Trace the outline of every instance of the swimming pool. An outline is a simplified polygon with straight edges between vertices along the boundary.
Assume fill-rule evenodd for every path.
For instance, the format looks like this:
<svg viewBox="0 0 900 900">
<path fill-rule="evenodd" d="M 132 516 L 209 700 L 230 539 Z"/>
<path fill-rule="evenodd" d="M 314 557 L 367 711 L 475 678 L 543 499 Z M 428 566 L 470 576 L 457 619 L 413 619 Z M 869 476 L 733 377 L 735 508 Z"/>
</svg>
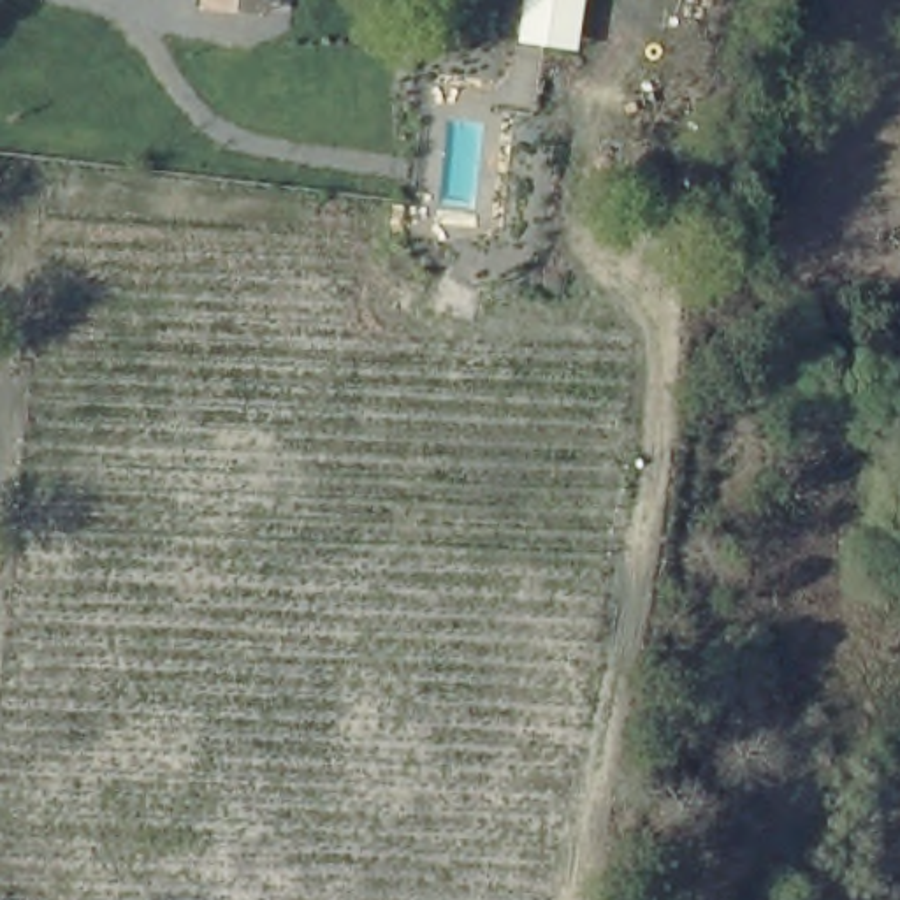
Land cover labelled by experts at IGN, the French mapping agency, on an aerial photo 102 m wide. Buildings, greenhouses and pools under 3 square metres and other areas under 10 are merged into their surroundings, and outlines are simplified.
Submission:
<svg viewBox="0 0 900 900">
<path fill-rule="evenodd" d="M 482 127 L 457 120 L 446 130 L 443 204 L 468 207 L 478 193 Z"/>
</svg>

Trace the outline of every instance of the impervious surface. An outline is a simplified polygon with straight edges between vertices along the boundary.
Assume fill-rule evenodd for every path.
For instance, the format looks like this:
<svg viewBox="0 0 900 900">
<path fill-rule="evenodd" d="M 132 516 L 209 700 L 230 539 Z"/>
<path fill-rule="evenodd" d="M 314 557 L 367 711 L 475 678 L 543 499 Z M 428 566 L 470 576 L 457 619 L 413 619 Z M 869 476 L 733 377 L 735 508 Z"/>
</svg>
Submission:
<svg viewBox="0 0 900 900">
<path fill-rule="evenodd" d="M 218 14 L 204 11 L 197 0 L 35 0 L 39 7 L 67 4 L 105 14 L 144 49 L 158 35 L 165 39 L 193 35 L 225 46 L 253 46 L 288 28 L 295 0 L 278 0 L 267 14 L 246 14 L 243 7 L 236 7 L 229 14 Z"/>
<path fill-rule="evenodd" d="M 450 243 L 461 229 L 471 229 L 475 214 L 468 207 L 443 204 L 446 130 L 457 120 L 482 127 L 496 102 L 531 105 L 538 98 L 541 60 L 552 49 L 520 42 L 513 49 L 510 67 L 499 77 L 443 74 L 432 81 L 432 151 L 425 158 L 425 186 L 418 204 L 404 207 L 408 232 Z"/>
</svg>

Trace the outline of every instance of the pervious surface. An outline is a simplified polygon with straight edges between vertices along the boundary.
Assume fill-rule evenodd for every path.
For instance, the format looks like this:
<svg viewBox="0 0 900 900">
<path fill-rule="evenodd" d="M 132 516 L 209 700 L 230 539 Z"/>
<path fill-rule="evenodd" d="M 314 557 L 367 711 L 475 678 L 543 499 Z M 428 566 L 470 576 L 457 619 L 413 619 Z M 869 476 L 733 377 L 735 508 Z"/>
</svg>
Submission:
<svg viewBox="0 0 900 900">
<path fill-rule="evenodd" d="M 608 598 L 622 605 L 622 619 L 608 640 L 598 640 L 598 664 L 605 664 L 608 671 L 601 675 L 594 728 L 577 731 L 545 721 L 513 724 L 513 731 L 524 738 L 545 735 L 563 745 L 587 745 L 584 788 L 577 791 L 577 823 L 566 823 L 563 816 L 559 823 L 548 823 L 548 837 L 559 837 L 566 847 L 566 868 L 555 872 L 563 889 L 552 900 L 612 900 L 605 893 L 605 879 L 612 865 L 605 861 L 608 851 L 594 840 L 594 826 L 605 826 L 608 816 L 608 780 L 619 749 L 622 721 L 633 700 L 626 686 L 626 668 L 643 650 L 643 615 L 650 608 L 650 573 L 657 552 L 661 510 L 671 485 L 671 446 L 679 436 L 679 429 L 675 380 L 682 341 L 682 309 L 675 288 L 640 260 L 633 260 L 626 250 L 601 246 L 591 232 L 577 229 L 566 236 L 570 246 L 580 253 L 584 271 L 615 299 L 622 299 L 622 309 L 633 320 L 640 320 L 647 334 L 643 446 L 654 454 L 654 464 L 640 461 L 640 499 L 626 538 L 626 566 L 608 573 Z"/>
<path fill-rule="evenodd" d="M 179 102 L 179 109 L 225 148 L 341 172 L 376 172 L 404 183 L 411 162 L 404 158 L 292 144 L 221 120 L 179 74 L 165 39 L 158 35 L 144 49 L 151 70 Z"/>
<path fill-rule="evenodd" d="M 548 169 L 541 176 L 531 176 L 520 243 L 492 246 L 489 253 L 471 253 L 471 229 L 461 229 L 450 243 L 457 246 L 461 260 L 450 264 L 439 278 L 436 309 L 454 309 L 457 316 L 475 313 L 475 292 L 468 285 L 475 285 L 478 274 L 496 278 L 534 257 L 534 250 L 541 246 L 538 214 L 545 211 L 552 176 L 570 176 L 570 169 L 580 172 L 605 158 L 612 123 L 622 113 L 636 109 L 633 98 L 622 95 L 622 81 L 636 67 L 636 60 L 643 60 L 643 46 L 657 42 L 668 32 L 668 14 L 675 7 L 668 0 L 587 0 L 580 46 L 552 49 L 541 60 L 538 98 L 538 120 L 545 127 L 541 137 L 548 137 L 552 155 Z"/>
</svg>

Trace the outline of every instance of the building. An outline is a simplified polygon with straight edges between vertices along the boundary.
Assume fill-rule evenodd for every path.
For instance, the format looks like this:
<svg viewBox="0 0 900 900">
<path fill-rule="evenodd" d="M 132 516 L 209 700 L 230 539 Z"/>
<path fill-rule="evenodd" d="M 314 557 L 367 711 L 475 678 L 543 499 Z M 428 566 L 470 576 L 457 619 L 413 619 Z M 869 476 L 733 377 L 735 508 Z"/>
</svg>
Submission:
<svg viewBox="0 0 900 900">
<path fill-rule="evenodd" d="M 278 0 L 197 0 L 204 11 L 218 14 L 229 14 L 236 7 L 243 7 L 246 14 L 267 14 Z"/>
<path fill-rule="evenodd" d="M 520 42 L 552 49 L 580 46 L 587 0 L 524 0 L 517 35 Z"/>
</svg>

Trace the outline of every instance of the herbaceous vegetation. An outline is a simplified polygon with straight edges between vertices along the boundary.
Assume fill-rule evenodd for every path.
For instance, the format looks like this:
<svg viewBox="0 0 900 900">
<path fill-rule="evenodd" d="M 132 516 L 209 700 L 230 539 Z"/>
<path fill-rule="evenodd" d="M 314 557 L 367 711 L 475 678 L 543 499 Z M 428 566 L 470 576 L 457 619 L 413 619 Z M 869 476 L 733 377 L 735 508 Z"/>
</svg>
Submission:
<svg viewBox="0 0 900 900">
<path fill-rule="evenodd" d="M 573 299 L 577 274 L 584 271 L 580 253 L 570 246 L 566 236 L 577 229 L 570 176 L 552 176 L 545 211 L 538 214 L 541 246 L 534 250 L 534 257 L 496 278 L 503 285 L 524 288 L 524 299 L 566 302 Z"/>
<path fill-rule="evenodd" d="M 605 861 L 612 865 L 619 861 L 612 854 L 612 840 L 629 840 L 633 826 L 650 830 L 661 847 L 661 868 L 675 875 L 675 893 L 668 900 L 773 900 L 773 886 L 795 872 L 809 879 L 809 900 L 851 900 L 844 882 L 819 868 L 812 858 L 816 844 L 826 837 L 830 826 L 823 805 L 830 784 L 819 780 L 812 752 L 847 756 L 854 738 L 868 728 L 882 731 L 896 749 L 896 759 L 872 773 L 879 795 L 872 805 L 879 812 L 879 854 L 872 872 L 882 879 L 875 900 L 900 900 L 900 594 L 886 598 L 882 605 L 865 605 L 851 601 L 840 591 L 840 534 L 861 513 L 858 475 L 865 471 L 861 454 L 847 443 L 851 404 L 833 397 L 805 397 L 798 383 L 780 390 L 777 401 L 791 411 L 795 425 L 795 450 L 780 457 L 766 446 L 766 436 L 756 436 L 756 422 L 773 401 L 763 394 L 763 376 L 742 394 L 742 404 L 735 411 L 703 411 L 696 422 L 686 422 L 679 429 L 679 436 L 696 436 L 700 461 L 707 461 L 714 471 L 724 471 L 721 503 L 735 513 L 721 520 L 728 538 L 710 538 L 696 531 L 689 534 L 686 577 L 675 580 L 664 555 L 657 552 L 650 573 L 650 608 L 643 615 L 643 650 L 682 668 L 682 686 L 696 700 L 710 703 L 710 724 L 728 742 L 745 742 L 759 731 L 770 731 L 788 752 L 780 773 L 759 770 L 738 784 L 721 777 L 717 759 L 700 745 L 689 745 L 682 756 L 675 756 L 675 763 L 657 766 L 654 773 L 668 788 L 679 788 L 686 780 L 700 784 L 703 795 L 717 802 L 714 823 L 700 826 L 696 833 L 689 833 L 682 823 L 671 830 L 657 830 L 647 816 L 654 802 L 654 773 L 647 777 L 640 770 L 640 759 L 629 759 L 619 749 L 608 780 L 608 816 L 605 826 L 594 826 L 594 840 L 608 851 Z M 752 485 L 759 468 L 780 468 L 791 478 L 791 499 L 766 503 L 763 510 L 749 513 L 738 503 L 738 489 Z"/>
<path fill-rule="evenodd" d="M 647 179 L 657 179 L 664 200 L 675 204 L 686 190 L 703 183 L 728 186 L 735 172 L 728 165 L 700 162 L 693 158 L 693 151 L 710 130 L 714 105 L 724 102 L 724 95 L 738 95 L 738 88 L 724 77 L 724 46 L 752 53 L 759 53 L 763 46 L 770 49 L 780 18 L 780 0 L 668 0 L 675 7 L 668 14 L 668 32 L 657 42 L 643 46 L 643 60 L 636 60 L 636 67 L 622 81 L 622 95 L 633 98 L 636 109 L 622 113 L 612 123 L 605 158 L 608 165 L 640 162 L 640 172 Z"/>
<path fill-rule="evenodd" d="M 478 193 L 468 207 L 475 214 L 471 229 L 471 253 L 489 253 L 492 246 L 520 243 L 531 176 L 541 176 L 548 169 L 552 155 L 548 137 L 541 137 L 545 127 L 538 120 L 538 98 L 531 105 L 496 102 L 482 127 Z"/>
<path fill-rule="evenodd" d="M 352 42 L 352 18 L 341 11 L 338 0 L 295 0 L 288 28 L 253 46 L 225 46 L 193 35 L 165 39 L 179 74 L 221 120 L 292 144 L 404 158 L 411 162 L 404 183 L 376 172 L 341 172 L 225 148 L 179 109 L 179 102 L 151 70 L 144 49 L 105 14 L 67 4 L 39 7 L 35 0 L 0 0 L 0 144 L 7 151 L 32 155 L 60 151 L 70 158 L 105 158 L 134 179 L 144 179 L 148 172 L 225 172 L 257 179 L 274 190 L 299 186 L 299 193 L 313 204 L 330 200 L 338 211 L 369 214 L 369 221 L 376 225 L 376 278 L 394 274 L 401 285 L 429 285 L 432 274 L 439 278 L 450 264 L 461 260 L 457 246 L 450 243 L 408 232 L 404 207 L 418 204 L 425 186 L 425 158 L 432 151 L 432 81 L 443 74 L 499 77 L 510 67 L 513 49 L 520 42 L 517 35 L 485 49 L 422 60 L 408 81 L 390 77 L 390 70 L 376 56 Z"/>
<path fill-rule="evenodd" d="M 872 352 L 900 362 L 900 0 L 802 0 L 802 28 L 809 28 L 819 42 L 854 42 L 875 56 L 872 84 L 879 91 L 879 102 L 872 105 L 872 113 L 847 116 L 840 134 L 830 137 L 826 151 L 812 151 L 812 141 L 805 134 L 791 134 L 784 141 L 784 162 L 777 176 L 766 183 L 777 200 L 773 243 L 788 278 L 798 288 L 809 288 L 812 295 L 840 295 L 854 274 L 896 278 L 893 320 L 886 330 L 875 330 Z"/>
</svg>

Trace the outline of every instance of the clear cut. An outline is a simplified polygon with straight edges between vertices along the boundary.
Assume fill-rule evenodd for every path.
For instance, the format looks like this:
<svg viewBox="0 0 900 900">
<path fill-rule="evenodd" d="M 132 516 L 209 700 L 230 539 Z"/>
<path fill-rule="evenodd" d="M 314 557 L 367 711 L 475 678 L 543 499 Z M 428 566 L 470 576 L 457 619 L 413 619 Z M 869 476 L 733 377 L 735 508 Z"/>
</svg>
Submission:
<svg viewBox="0 0 900 900">
<path fill-rule="evenodd" d="M 587 745 L 563 745 L 545 735 L 524 738 L 513 731 L 513 724 L 545 721 L 577 731 L 594 728 L 601 675 L 608 671 L 605 664 L 598 664 L 598 640 L 608 640 L 622 619 L 622 605 L 608 598 L 608 573 L 626 566 L 626 538 L 640 499 L 640 461 L 654 464 L 654 454 L 643 446 L 647 334 L 640 320 L 633 320 L 622 309 L 622 299 L 615 299 L 584 271 L 577 274 L 573 299 L 566 302 L 524 299 L 524 288 L 503 285 L 496 278 L 478 274 L 475 285 L 468 285 L 475 292 L 475 313 L 457 316 L 454 309 L 436 309 L 439 278 L 432 274 L 429 285 L 401 285 L 394 274 L 376 278 L 376 225 L 369 221 L 369 214 L 338 211 L 330 200 L 313 204 L 299 193 L 299 186 L 274 190 L 257 179 L 225 172 L 148 172 L 144 179 L 134 179 L 105 158 L 70 158 L 60 151 L 32 155 L 39 165 L 42 190 L 28 197 L 28 207 L 11 207 L 0 218 L 0 302 L 14 309 L 21 338 L 21 348 L 0 359 L 0 900 L 552 900 L 563 889 L 555 872 L 566 868 L 566 847 L 559 837 L 548 837 L 548 823 L 559 823 L 563 816 L 566 823 L 577 823 L 577 791 L 584 788 Z"/>
</svg>

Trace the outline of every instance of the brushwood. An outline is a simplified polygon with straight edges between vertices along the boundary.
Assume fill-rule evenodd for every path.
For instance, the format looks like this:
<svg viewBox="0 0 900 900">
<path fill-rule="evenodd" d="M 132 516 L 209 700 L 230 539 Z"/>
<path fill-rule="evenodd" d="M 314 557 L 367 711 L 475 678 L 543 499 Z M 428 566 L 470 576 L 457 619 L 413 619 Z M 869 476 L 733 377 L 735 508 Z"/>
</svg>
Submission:
<svg viewBox="0 0 900 900">
<path fill-rule="evenodd" d="M 735 513 L 721 503 L 724 471 L 714 471 L 707 461 L 700 461 L 696 436 L 679 436 L 671 446 L 671 485 L 661 510 L 657 552 L 664 555 L 675 580 L 686 577 L 689 534 L 696 531 L 710 538 L 728 538 L 721 520 Z"/>
</svg>

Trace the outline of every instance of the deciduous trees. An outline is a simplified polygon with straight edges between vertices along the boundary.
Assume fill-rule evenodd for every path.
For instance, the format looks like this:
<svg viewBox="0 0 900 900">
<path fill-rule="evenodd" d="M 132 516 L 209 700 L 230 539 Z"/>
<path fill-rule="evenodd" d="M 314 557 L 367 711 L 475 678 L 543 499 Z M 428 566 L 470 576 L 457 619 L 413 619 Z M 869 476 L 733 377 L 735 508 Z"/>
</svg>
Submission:
<svg viewBox="0 0 900 900">
<path fill-rule="evenodd" d="M 773 900 L 809 900 L 809 879 L 795 872 L 773 886 Z"/>
<path fill-rule="evenodd" d="M 21 338 L 14 309 L 0 302 L 0 359 L 21 348 Z"/>
<path fill-rule="evenodd" d="M 32 155 L 7 151 L 0 144 L 0 218 L 11 207 L 28 207 L 28 197 L 42 190 L 39 165 Z"/>
<path fill-rule="evenodd" d="M 816 844 L 812 858 L 819 868 L 844 882 L 851 900 L 875 900 L 882 879 L 872 872 L 879 854 L 879 812 L 872 805 L 879 795 L 872 773 L 896 759 L 896 749 L 882 731 L 868 728 L 854 738 L 847 756 L 812 752 L 819 780 L 830 784 L 823 805 L 830 826 L 826 837 Z"/>
<path fill-rule="evenodd" d="M 524 0 L 338 0 L 341 11 L 352 18 L 352 42 L 376 56 L 390 70 L 390 77 L 408 81 L 422 60 L 485 49 L 517 35 Z"/>
<path fill-rule="evenodd" d="M 830 137 L 840 134 L 847 116 L 872 113 L 872 105 L 879 102 L 879 91 L 872 84 L 875 56 L 854 42 L 819 42 L 809 28 L 802 28 L 802 0 L 780 0 L 780 18 L 770 49 L 763 46 L 759 53 L 752 53 L 724 46 L 724 77 L 738 88 L 738 95 L 724 95 L 724 102 L 714 105 L 710 130 L 693 151 L 693 158 L 700 162 L 728 165 L 735 172 L 728 186 L 703 183 L 686 190 L 675 204 L 664 200 L 657 179 L 647 179 L 640 172 L 640 162 L 608 165 L 605 158 L 580 172 L 570 169 L 570 176 L 577 229 L 591 232 L 601 246 L 626 250 L 633 260 L 640 260 L 675 288 L 682 309 L 682 341 L 703 327 L 707 338 L 714 338 L 731 320 L 752 316 L 770 330 L 763 376 L 763 394 L 773 401 L 777 401 L 780 390 L 798 383 L 805 397 L 833 397 L 851 404 L 847 443 L 861 454 L 865 471 L 858 475 L 861 513 L 840 534 L 840 591 L 851 601 L 865 605 L 882 605 L 886 598 L 900 594 L 900 362 L 872 352 L 854 359 L 851 316 L 840 306 L 840 295 L 812 295 L 809 288 L 798 288 L 788 278 L 773 243 L 777 200 L 766 183 L 777 176 L 784 162 L 784 141 L 791 134 L 805 134 L 812 141 L 812 151 L 826 151 Z"/>
</svg>

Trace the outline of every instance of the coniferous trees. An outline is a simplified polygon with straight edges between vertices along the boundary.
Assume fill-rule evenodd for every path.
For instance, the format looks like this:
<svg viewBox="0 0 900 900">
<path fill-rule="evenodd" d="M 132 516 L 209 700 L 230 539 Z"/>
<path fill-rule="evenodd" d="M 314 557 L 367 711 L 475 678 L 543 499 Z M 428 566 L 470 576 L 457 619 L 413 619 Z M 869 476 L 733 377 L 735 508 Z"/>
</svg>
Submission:
<svg viewBox="0 0 900 900">
<path fill-rule="evenodd" d="M 749 513 L 763 510 L 766 503 L 791 499 L 791 478 L 780 468 L 759 468 L 752 485 L 738 489 L 738 503 Z"/>
<path fill-rule="evenodd" d="M 742 394 L 763 376 L 770 330 L 752 316 L 731 320 L 714 338 L 707 338 L 703 327 L 682 341 L 675 380 L 679 429 L 686 422 L 696 422 L 703 411 L 735 411 L 742 404 Z"/>
<path fill-rule="evenodd" d="M 777 401 L 773 401 L 756 422 L 756 436 L 766 436 L 766 446 L 780 457 L 795 450 L 795 425 L 791 411 Z"/>
<path fill-rule="evenodd" d="M 612 865 L 605 879 L 605 893 L 612 900 L 668 900 L 675 893 L 675 875 L 661 868 L 661 847 L 650 830 L 633 826 L 629 840 L 612 840 L 612 854 L 619 861 Z"/>
<path fill-rule="evenodd" d="M 875 330 L 886 330 L 893 320 L 896 278 L 854 274 L 840 295 L 840 306 L 851 316 L 854 359 L 872 352 Z"/>
<path fill-rule="evenodd" d="M 626 686 L 633 700 L 622 721 L 619 749 L 629 759 L 640 759 L 640 770 L 647 777 L 654 773 L 657 766 L 675 763 L 675 756 L 682 756 L 689 745 L 700 745 L 717 759 L 721 777 L 738 784 L 759 770 L 780 773 L 788 752 L 770 731 L 759 731 L 745 742 L 728 742 L 710 724 L 710 703 L 696 700 L 682 686 L 682 668 L 643 650 L 626 668 Z"/>
<path fill-rule="evenodd" d="M 654 802 L 647 816 L 657 830 L 671 830 L 682 823 L 689 833 L 696 833 L 700 826 L 714 823 L 717 802 L 703 795 L 700 784 L 686 780 L 679 788 L 668 788 L 654 773 Z"/>
</svg>

